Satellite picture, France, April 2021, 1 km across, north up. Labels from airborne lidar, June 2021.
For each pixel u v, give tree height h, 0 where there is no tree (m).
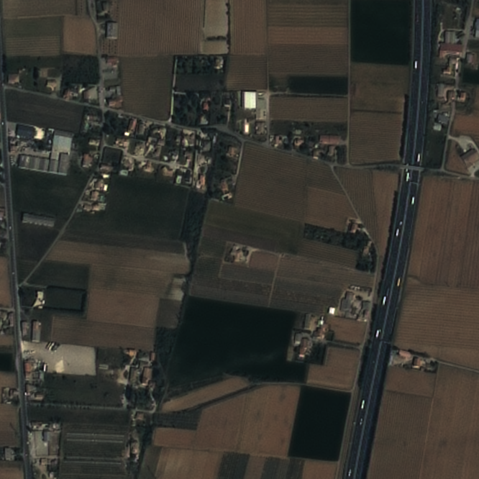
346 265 0
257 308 0
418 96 0
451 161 0
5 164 0
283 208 0
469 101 8
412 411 0
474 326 0
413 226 0
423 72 0
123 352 8
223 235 0
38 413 0
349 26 0
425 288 0
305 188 0
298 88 0
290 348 0
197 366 0
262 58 0
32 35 0
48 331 0
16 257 0
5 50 0
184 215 0
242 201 0
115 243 0
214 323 0
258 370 0
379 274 0
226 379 0
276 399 0
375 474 0
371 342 7
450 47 0
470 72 0
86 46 0
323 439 0
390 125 0
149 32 0
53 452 0
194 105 11
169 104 0
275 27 0
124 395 0
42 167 0
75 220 0
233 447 0
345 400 0
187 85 0
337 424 0
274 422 0
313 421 0
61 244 0
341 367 0
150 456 0
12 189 0
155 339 0
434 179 0
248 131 0
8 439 0
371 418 0
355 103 0
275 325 0
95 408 6
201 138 7
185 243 0
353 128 0
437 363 6
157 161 0
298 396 0
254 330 0
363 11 0
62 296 0
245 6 0
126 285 0
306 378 0
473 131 0
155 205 0
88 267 0
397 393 0
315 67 0
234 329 0
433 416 0
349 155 0
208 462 0
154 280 0
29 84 0
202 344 0
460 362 0
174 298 0
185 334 0
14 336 0
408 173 0
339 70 0
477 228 0
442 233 0
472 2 0
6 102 0
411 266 0
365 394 0
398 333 0
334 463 0
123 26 0
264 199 0
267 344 0
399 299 0
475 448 0
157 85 0
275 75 0
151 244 0
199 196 0
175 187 0
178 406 0
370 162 0
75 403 7
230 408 0
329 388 0
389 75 0
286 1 0
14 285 0
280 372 0
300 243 0
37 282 0
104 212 0
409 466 0
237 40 0
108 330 0
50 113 0
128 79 0
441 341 0
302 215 0
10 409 0
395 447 0
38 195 0
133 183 0
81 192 0
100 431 0
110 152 0
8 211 0
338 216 0
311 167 0
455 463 0
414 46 0
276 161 0
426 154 0
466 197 0
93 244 0
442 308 0
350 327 0
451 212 0
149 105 0
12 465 0
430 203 0
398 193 7
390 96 0
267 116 0
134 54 0
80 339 0
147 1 0
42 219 0
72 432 0
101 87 0
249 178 0
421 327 0
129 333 0
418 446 0
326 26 0
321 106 0
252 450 0
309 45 0
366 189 0
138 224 0
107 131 14
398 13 0
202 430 0
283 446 0
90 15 0
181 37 0
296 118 0
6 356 0
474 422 0
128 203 0
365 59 0
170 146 10
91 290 0
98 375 0
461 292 0
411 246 0
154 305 0
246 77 0
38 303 0
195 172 0
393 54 0
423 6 0
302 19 0
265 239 0
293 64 0
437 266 0
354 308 9
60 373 0
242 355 0
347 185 0
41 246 0
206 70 10
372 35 0
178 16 0
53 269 0
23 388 0
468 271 0
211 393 0
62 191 0
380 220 0
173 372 0
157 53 0
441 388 0
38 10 0
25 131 0
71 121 0
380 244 0
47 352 0
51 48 0
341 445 0
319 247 0
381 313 0
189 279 9
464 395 0
